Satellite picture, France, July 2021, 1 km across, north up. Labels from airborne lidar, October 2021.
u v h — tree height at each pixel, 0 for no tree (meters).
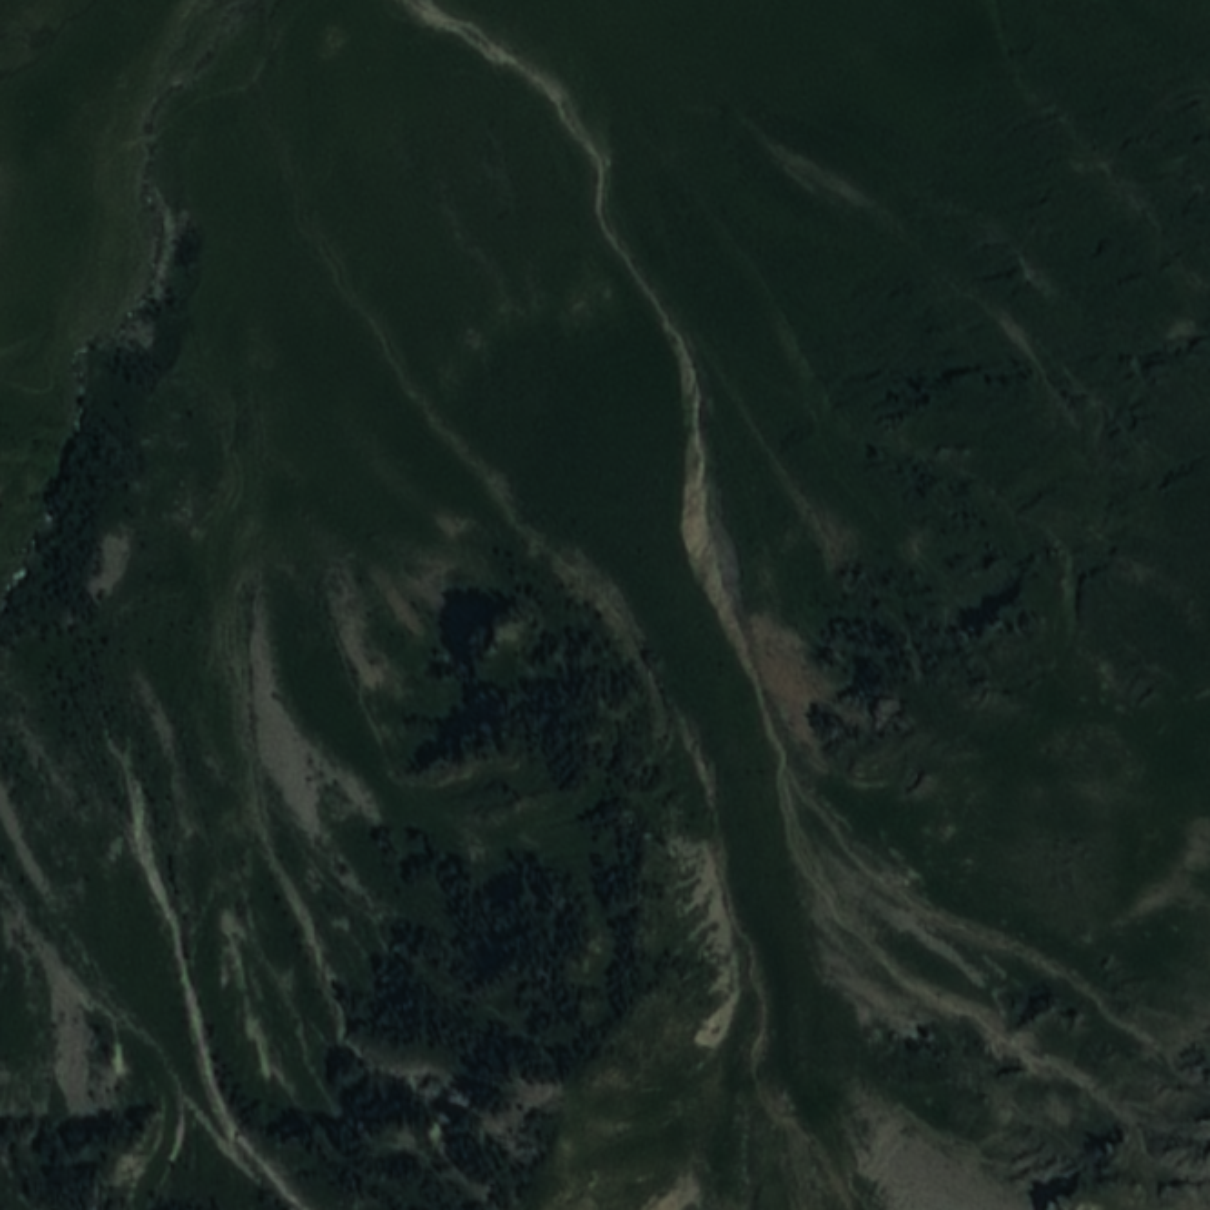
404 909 0
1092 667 0
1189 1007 0
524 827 0
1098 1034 0
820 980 0
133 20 0
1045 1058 0
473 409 0
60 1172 7
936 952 0
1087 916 0
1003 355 0
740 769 0
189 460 0
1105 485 0
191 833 0
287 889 0
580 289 0
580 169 0
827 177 0
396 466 0
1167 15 0
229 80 0
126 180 0
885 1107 0
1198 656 0
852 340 0
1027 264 0
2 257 0
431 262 0
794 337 0
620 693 10
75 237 0
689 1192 0
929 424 0
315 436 0
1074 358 0
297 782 0
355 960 0
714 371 0
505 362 0
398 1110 8
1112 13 0
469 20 0
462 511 0
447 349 0
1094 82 0
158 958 0
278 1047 0
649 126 0
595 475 0
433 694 0
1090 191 0
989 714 0
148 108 0
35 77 0
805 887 0
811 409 0
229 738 0
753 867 0
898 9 0
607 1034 7
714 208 0
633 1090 0
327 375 0
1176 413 0
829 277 0
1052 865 0
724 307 0
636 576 0
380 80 0
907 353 0
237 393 0
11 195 0
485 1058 11
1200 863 0
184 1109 0
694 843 0
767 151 0
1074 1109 0
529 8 0
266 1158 0
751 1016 0
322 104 0
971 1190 0
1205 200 0
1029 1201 0
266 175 0
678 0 0
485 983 9
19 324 0
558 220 0
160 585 0
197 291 0
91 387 0
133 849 0
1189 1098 0
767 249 0
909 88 0
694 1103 0
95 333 0
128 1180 0
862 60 0
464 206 0
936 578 0
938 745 0
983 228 0
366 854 0
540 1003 8
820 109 0
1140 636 0
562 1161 0
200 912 0
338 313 0
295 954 0
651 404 0
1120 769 0
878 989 0
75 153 0
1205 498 0
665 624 0
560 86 0
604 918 0
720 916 0
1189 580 0
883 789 0
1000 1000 0
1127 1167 0
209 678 0
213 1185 0
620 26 0
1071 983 0
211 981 0
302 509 0
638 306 0
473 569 0
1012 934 0
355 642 0
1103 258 0
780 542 0
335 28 0
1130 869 0
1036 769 0
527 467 0
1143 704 0
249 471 0
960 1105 0
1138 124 0
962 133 0
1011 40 0
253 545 0
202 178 0
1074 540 0
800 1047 0
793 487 0
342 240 0
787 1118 0
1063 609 0
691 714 0
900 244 0
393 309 0
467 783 0
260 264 0
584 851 0
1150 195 0
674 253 0
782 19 0
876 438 0
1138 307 0
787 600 0
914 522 0
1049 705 0
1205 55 0
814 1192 0
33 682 0
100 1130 7
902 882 0
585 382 0
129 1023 0
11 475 0
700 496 0
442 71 0
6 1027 0
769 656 0
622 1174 0
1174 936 0
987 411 0
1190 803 0
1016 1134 0
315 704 0
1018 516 0
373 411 0
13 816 0
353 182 0
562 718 10
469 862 20
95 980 0
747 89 0
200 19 0
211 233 0
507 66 0
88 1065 0
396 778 0
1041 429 0
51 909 0
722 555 0
